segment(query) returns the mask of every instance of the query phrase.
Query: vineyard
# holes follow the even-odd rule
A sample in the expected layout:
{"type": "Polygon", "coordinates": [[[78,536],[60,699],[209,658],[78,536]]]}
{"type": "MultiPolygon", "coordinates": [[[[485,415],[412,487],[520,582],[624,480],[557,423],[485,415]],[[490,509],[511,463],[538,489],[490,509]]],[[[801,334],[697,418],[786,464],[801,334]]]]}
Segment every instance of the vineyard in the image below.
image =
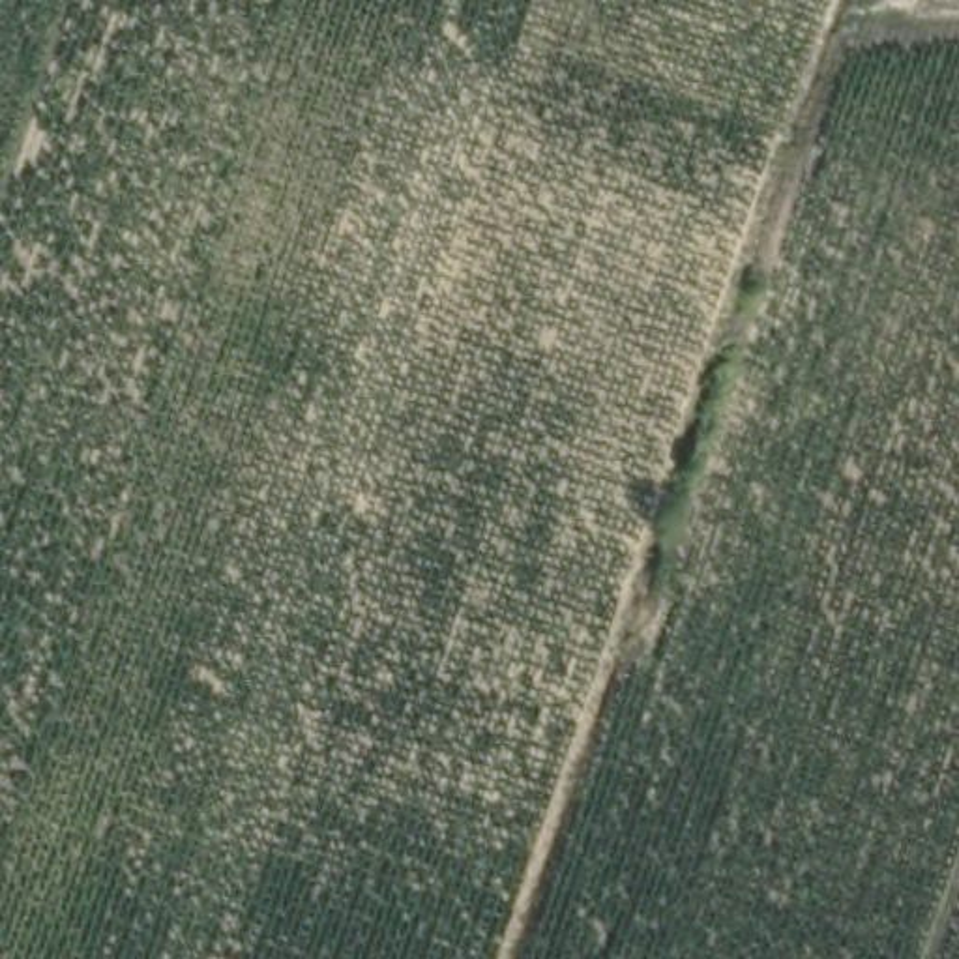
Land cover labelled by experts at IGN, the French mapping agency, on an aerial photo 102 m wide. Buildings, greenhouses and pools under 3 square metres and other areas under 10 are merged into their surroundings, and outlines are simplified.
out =
{"type": "Polygon", "coordinates": [[[0,0],[0,959],[959,959],[959,0],[0,0]]]}

